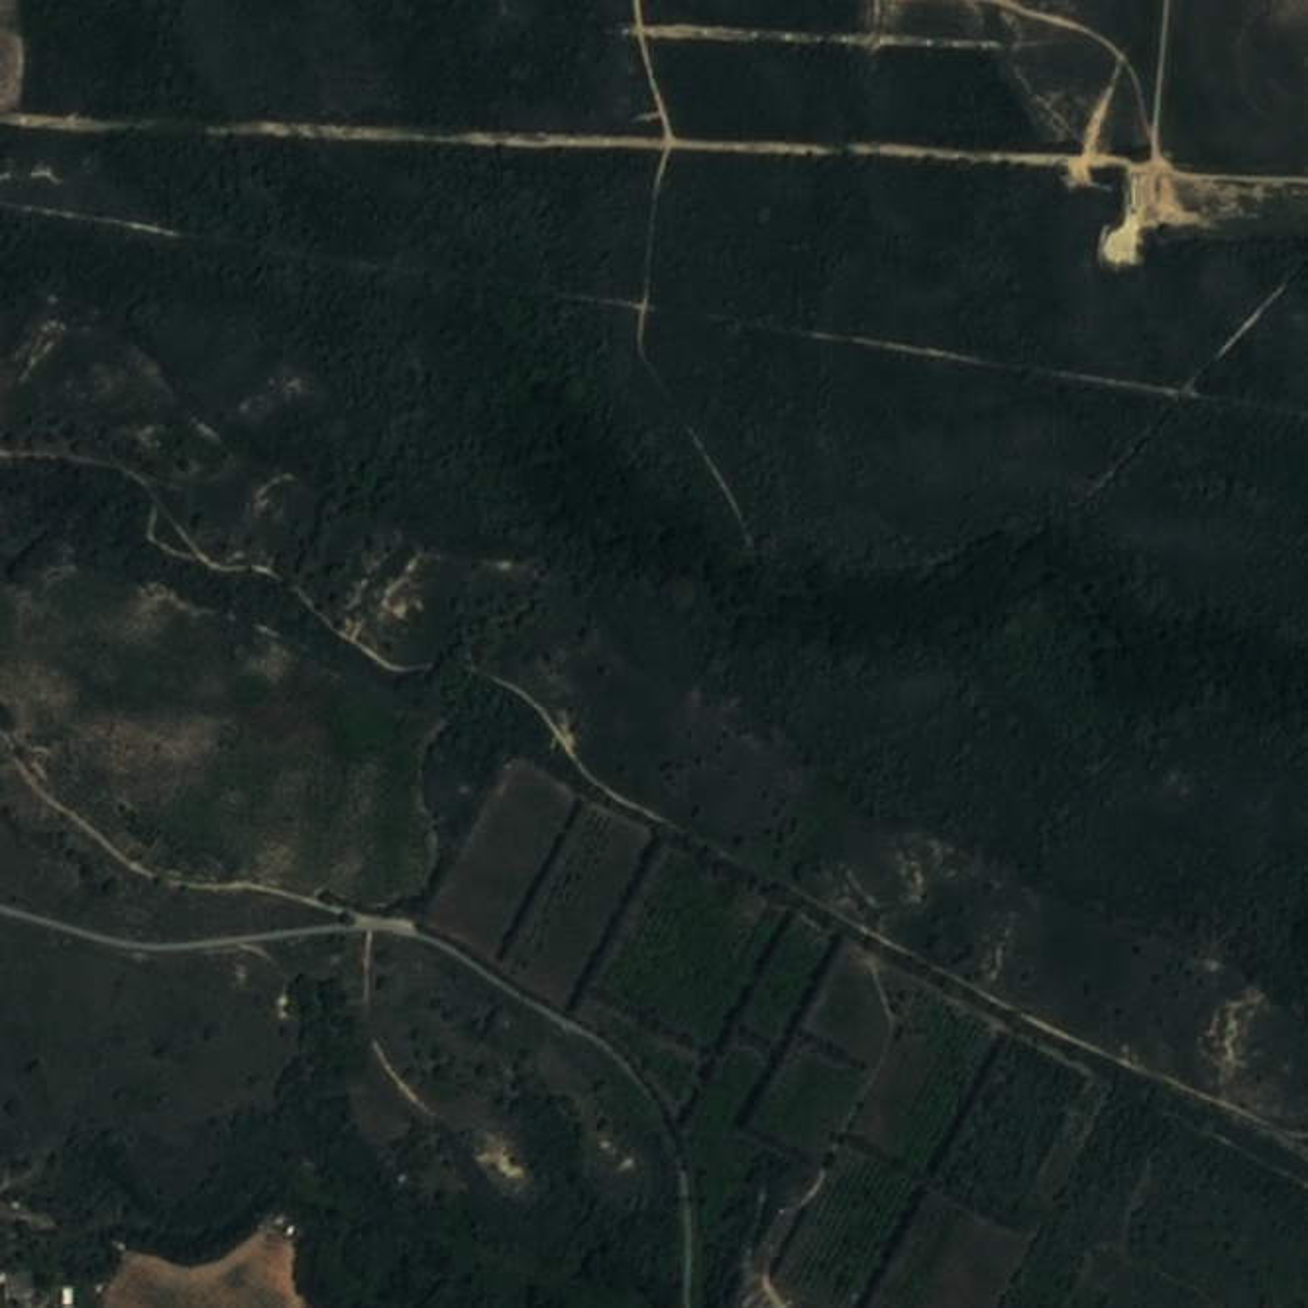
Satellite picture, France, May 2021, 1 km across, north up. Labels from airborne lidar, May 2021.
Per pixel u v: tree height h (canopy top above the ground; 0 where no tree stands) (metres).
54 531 8
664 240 7
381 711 0
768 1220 5
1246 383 6
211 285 7
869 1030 0
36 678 0
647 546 17
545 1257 6
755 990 15
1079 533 11
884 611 19
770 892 16
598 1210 12
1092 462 6
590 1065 0
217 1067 0
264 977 0
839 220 8
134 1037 0
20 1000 0
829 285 6
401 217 9
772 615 8
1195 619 11
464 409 10
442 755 8
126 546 8
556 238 7
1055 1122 6
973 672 9
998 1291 0
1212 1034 0
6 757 0
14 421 0
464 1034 0
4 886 0
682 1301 20
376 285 8
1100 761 8
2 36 0
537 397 16
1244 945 7
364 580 0
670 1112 13
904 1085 0
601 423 11
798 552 8
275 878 0
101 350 0
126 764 0
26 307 7
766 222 6
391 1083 0
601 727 0
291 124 0
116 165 6
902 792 9
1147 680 18
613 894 0
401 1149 8
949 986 10
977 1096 14
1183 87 0
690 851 14
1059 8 0
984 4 0
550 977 0
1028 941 0
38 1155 0
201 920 0
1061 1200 9
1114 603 13
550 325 9
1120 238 0
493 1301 12
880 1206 9
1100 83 0
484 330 10
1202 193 0
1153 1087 6
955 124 7
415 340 11
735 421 7
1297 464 9
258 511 0
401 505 9
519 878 0
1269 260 7
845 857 0
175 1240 7
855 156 8
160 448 0
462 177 6
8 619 0
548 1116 11
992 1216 17
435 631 0
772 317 9
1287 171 0
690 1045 19
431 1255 10
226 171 8
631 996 6
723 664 11
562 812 0
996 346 6
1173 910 8
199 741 0
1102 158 0
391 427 8
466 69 5
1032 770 5
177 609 0
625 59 0
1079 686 8
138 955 0
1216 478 14
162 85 11
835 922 11
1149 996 0
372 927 0
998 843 7
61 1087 0
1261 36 0
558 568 11
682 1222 6
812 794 0
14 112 0
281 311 8
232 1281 0
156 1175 0
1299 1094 0
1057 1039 7
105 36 7
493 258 10
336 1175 9
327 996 12
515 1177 0
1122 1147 7
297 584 9
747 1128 20
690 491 13
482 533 7
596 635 9
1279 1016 0
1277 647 17
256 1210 6
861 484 7
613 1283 17
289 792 0
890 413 7
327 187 7
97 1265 9
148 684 0
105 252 6
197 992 0
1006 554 17
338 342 7
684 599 14
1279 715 14
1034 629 10
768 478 10
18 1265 8
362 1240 7
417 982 0
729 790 0
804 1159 16
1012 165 9
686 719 0
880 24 0
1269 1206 8
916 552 8
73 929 0
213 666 0
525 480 14
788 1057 15
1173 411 10
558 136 0
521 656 0
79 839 0
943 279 6
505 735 7
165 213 6
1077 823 7
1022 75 0
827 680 7
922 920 0
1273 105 0
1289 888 6
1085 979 0
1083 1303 6
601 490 19
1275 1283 0
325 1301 10
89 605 0
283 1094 8
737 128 5
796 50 7
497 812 0
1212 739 7
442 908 0
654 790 0
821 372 7
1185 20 0
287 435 12
